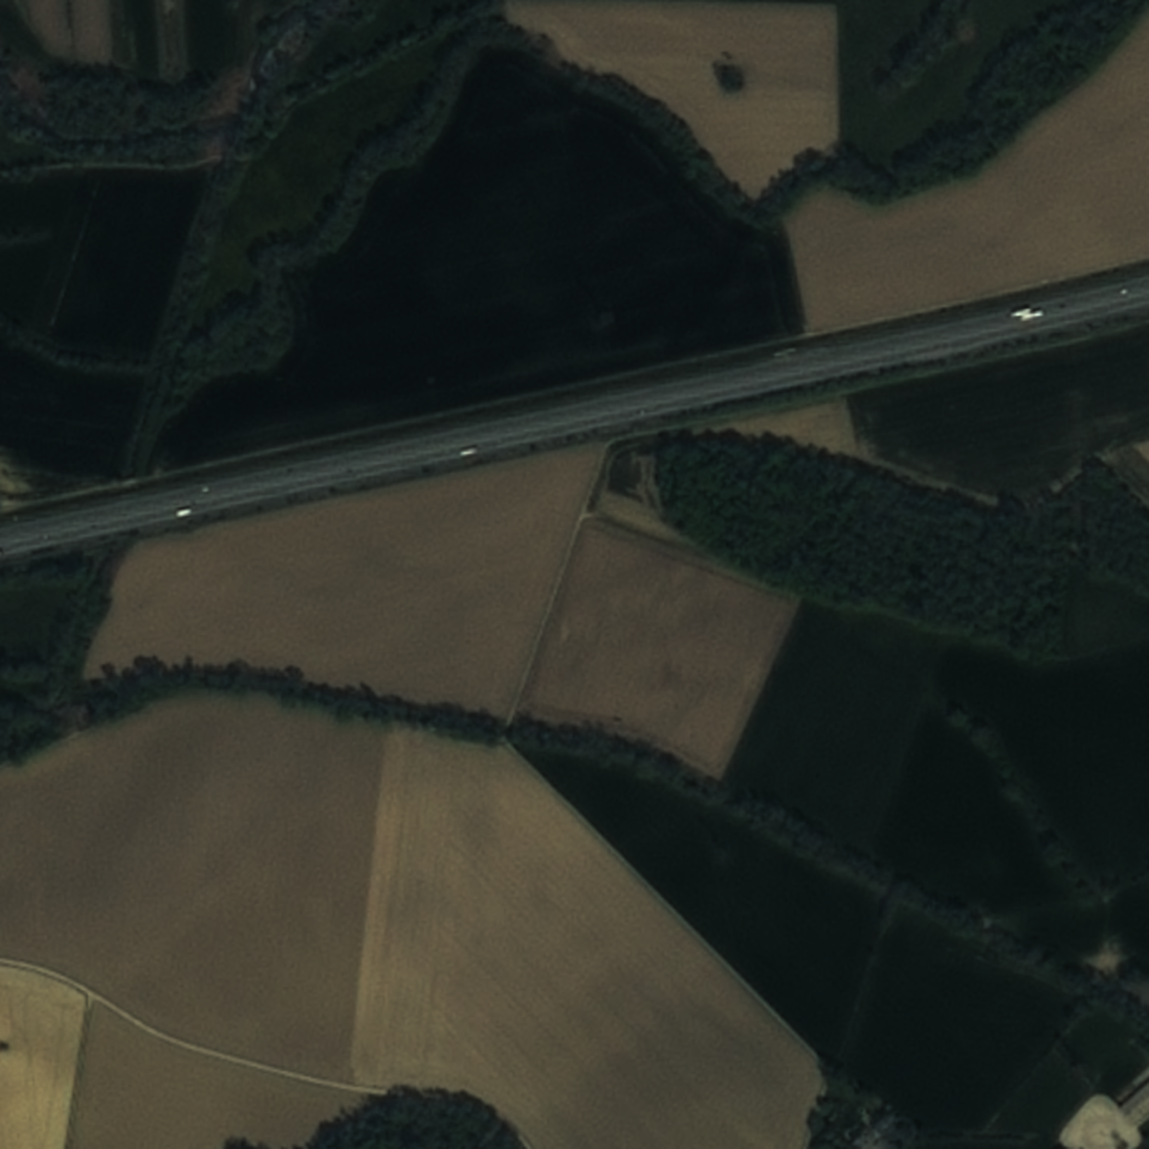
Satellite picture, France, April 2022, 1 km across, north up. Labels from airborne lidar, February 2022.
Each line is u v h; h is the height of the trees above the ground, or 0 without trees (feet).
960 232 0
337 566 0
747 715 0
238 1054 0
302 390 0
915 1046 0
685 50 0
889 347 0
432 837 0
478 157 0
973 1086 0
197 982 0
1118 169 0
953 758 0
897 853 0
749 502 77
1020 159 0
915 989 0
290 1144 0
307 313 0
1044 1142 0
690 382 0
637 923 0
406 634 0
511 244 0
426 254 0
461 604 0
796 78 0
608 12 0
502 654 0
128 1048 0
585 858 0
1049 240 0
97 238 0
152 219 0
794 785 0
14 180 28
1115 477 45
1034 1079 0
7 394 0
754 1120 0
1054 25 38
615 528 0
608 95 40
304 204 0
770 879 0
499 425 0
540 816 0
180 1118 0
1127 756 0
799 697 0
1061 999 0
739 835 0
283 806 0
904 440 0
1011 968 0
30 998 0
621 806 0
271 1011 0
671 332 0
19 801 0
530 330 0
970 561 92
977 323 0
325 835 0
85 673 0
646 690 0
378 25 0
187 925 0
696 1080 0
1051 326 0
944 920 47
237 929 0
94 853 0
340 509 0
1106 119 0
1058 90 42
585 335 0
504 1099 0
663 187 0
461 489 0
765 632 0
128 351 0
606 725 0
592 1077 0
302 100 30
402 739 0
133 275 0
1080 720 0
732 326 0
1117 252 0
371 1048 0
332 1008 0
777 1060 0
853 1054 0
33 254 0
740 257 0
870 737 0
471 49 66
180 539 0
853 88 0
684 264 0
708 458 54
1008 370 0
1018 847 0
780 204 68
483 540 0
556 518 0
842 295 0
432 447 0
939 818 0
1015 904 0
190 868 0
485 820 0
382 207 0
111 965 0
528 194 0
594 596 0
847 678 0
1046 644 63
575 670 0
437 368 0
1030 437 0
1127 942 0
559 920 0
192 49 0
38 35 0
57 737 26
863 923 0
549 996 0
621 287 0
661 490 24
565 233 0
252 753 0
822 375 0
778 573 73
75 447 0
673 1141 0
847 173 78
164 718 0
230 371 44
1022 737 0
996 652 0
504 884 0
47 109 54
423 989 0
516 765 0
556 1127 0
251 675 52
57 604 0
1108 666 0
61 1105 0
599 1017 0
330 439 0
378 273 0
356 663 0
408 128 47
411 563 0
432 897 0
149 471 0
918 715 0
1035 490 0
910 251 0
